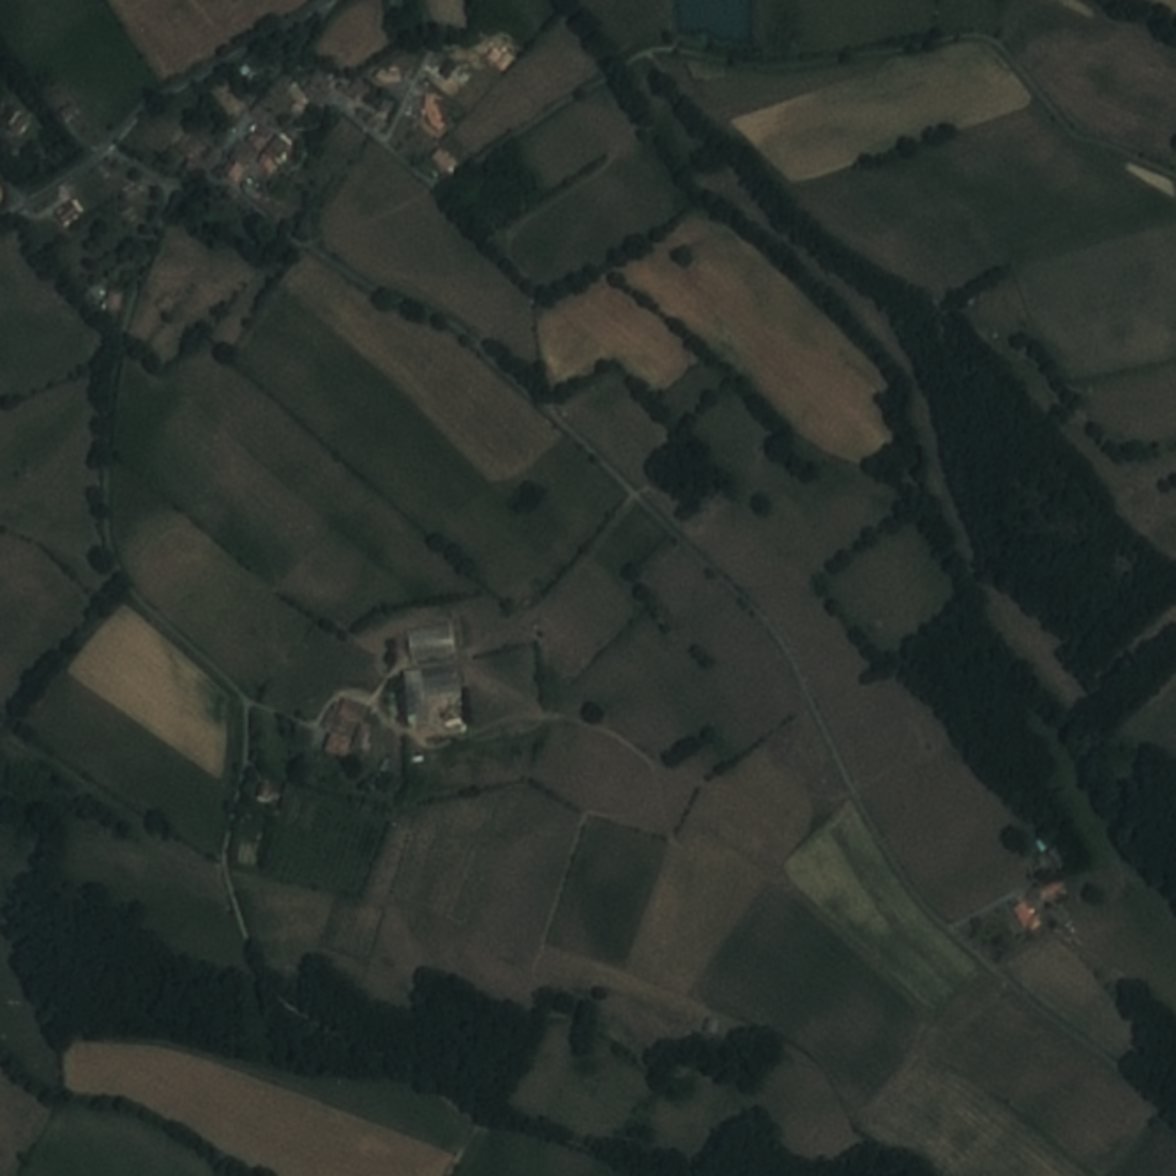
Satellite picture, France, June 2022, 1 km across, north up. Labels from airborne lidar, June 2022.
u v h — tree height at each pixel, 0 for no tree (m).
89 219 6
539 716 0
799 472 9
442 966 0
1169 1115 15
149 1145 0
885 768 0
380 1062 10
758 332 0
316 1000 20
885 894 0
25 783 8
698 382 0
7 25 0
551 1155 0
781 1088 0
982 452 16
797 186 0
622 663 0
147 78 0
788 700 0
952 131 17
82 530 0
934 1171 10
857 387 0
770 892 0
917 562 0
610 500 0
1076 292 0
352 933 0
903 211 0
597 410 0
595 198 0
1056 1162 0
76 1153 0
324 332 0
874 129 0
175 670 0
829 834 0
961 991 0
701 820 0
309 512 0
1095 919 0
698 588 0
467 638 0
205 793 0
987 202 0
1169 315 0
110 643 0
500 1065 17
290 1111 0
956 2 0
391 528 0
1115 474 0
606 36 13
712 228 0
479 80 0
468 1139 0
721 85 0
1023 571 21
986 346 13
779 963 0
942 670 22
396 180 0
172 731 0
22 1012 0
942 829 0
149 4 0
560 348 0
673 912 0
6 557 0
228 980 20
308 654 0
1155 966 0
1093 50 0
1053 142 0
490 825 0
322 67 6
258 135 0
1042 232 0
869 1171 20
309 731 0
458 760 0
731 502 0
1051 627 14
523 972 0
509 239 0
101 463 18
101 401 19
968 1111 0
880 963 0
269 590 0
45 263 17
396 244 0
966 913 0
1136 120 0
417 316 14
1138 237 0
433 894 0
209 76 6
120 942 18
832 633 0
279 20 14
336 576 0
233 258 0
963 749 11
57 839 17
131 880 0
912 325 13
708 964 0
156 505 0
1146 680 18
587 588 0
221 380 0
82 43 0
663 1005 0
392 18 13
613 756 0
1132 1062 16
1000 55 0
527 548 0
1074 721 20
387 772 8
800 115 0
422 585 0
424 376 0
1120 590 11
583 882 0
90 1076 0
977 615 23
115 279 7
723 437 0
